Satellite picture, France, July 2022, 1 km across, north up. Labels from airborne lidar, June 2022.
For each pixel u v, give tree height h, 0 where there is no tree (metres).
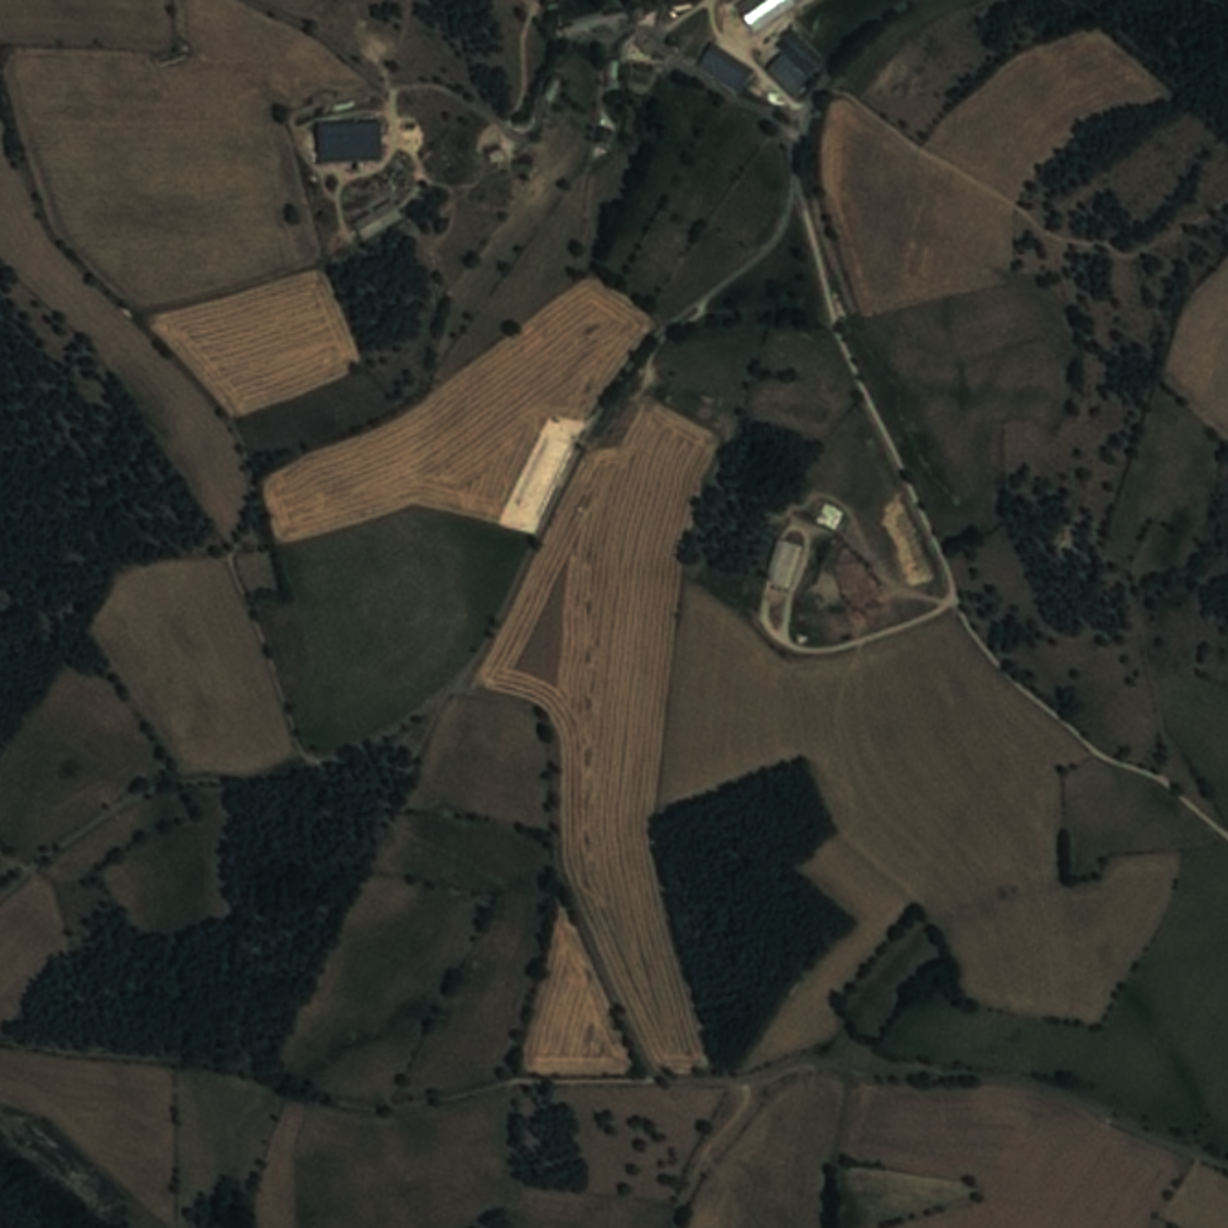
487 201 0
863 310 0
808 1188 0
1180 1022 0
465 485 0
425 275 14
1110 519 7
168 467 16
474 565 0
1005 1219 0
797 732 0
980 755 0
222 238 0
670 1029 0
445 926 0
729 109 0
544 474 0
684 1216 12
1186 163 0
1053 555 16
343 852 17
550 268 0
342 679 0
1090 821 0
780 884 22
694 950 22
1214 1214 0
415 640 0
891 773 0
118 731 0
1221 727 0
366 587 0
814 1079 0
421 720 7
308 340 0
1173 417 0
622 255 0
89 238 0
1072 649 0
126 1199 0
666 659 0
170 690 0
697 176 0
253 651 0
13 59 0
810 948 20
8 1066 0
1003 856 0
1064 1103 0
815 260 0
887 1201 0
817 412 0
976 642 0
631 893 0
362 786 15
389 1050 0
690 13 0
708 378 0
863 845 0
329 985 0
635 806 0
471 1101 0
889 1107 0
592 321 0
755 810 20
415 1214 0
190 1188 0
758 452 16
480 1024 0
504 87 13
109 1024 15
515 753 0
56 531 18
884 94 0
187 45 0
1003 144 0
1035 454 0
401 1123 0
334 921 9
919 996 17
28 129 0
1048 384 0
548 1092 16
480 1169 0
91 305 0
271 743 0
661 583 0
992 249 0
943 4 0
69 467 21
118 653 0
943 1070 0
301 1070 0
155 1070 0
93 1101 0
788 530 0
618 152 0
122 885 0
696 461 0
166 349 8
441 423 0
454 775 0
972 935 0
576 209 0
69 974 18
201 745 0
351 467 0
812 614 0
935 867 0
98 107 0
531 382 0
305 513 0
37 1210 19
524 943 0
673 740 0
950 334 0
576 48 7
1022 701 0
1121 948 0
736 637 0
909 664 0
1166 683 0
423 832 0
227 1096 0
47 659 21
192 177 0
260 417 0
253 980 11
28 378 15
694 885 19
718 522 8
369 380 0
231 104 0
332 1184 0
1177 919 0
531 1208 0
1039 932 0
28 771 0
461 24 14
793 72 0
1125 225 13
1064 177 9
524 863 0
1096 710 0
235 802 18
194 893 0
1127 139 17
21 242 0
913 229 0
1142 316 0
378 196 0
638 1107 0
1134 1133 0
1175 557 0
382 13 10
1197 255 10
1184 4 8
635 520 0
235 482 0
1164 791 0
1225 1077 0
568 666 0
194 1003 18
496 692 0
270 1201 0
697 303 0
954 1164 0
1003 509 13
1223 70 21
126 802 0
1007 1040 0
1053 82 0
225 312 0
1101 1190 0
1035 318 0
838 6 0
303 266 0
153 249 0
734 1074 6
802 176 13
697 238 8
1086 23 16
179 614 0
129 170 0
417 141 0
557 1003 0
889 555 0
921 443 0
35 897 0
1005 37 16
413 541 0
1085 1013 0
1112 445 8
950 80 0
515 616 0
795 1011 0
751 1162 0
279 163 0
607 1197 0
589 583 0
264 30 0
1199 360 0
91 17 0
